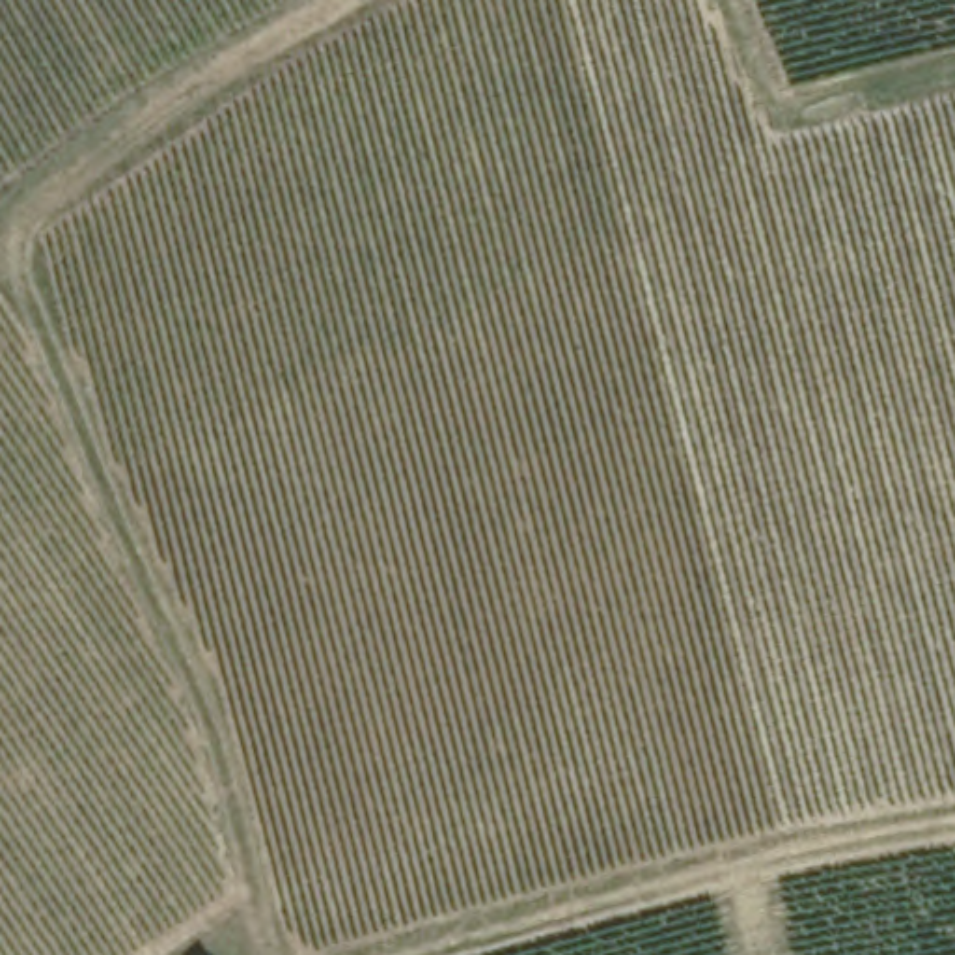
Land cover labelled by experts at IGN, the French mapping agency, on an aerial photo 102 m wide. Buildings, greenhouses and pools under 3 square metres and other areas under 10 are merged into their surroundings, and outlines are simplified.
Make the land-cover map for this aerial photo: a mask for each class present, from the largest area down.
<instances>
[{"label":"vineyard","instance_id":"1","mask_svg":"<svg viewBox=\"0 0 955 955\"><path fill-rule=\"evenodd\" d=\"M0 955H955V0H0Z\"/></svg>","mask_w":955,"mask_h":955}]
</instances>
